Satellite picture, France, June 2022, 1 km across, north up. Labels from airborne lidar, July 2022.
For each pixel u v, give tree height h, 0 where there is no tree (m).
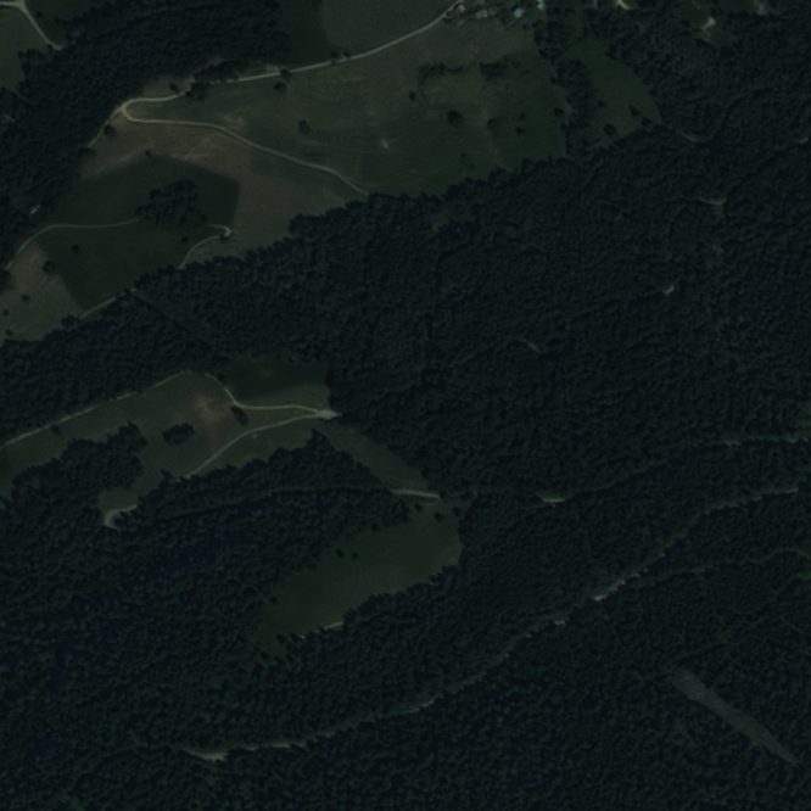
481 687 10
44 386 30
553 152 0
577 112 7
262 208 0
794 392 13
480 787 30
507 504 29
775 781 18
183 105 0
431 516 0
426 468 7
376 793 32
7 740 20
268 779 28
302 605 0
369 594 0
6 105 23
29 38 0
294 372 0
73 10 0
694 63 16
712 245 28
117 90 21
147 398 0
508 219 24
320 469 31
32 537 25
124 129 0
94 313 0
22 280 0
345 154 0
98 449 20
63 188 21
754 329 19
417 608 13
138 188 0
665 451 13
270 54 22
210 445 0
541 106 0
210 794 14
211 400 0
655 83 25
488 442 31
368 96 0
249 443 0
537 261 27
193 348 25
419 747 10
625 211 22
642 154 22
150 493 0
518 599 12
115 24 21
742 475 14
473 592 26
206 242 0
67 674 11
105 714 16
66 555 29
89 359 31
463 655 25
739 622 10
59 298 0
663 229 19
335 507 34
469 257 27
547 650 14
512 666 11
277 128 0
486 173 0
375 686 30
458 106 0
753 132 25
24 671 35
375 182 0
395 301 15
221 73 16
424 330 19
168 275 21
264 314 31
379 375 31
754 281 18
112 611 38
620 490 14
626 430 29
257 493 19
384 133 0
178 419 0
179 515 12
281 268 29
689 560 13
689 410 23
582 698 18
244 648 32
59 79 25
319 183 0
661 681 16
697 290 24
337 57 12
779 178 24
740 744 24
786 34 26
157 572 17
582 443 34
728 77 17
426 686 38
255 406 0
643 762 20
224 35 30
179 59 21
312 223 19
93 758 24
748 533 16
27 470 0
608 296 24
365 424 29
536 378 28
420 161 0
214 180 0
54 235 0
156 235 0
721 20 22
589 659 12
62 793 18
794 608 10
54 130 30
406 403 25
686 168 29
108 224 0
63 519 29
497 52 0
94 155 5
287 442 0
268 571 28
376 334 25
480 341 27
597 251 27
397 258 27
